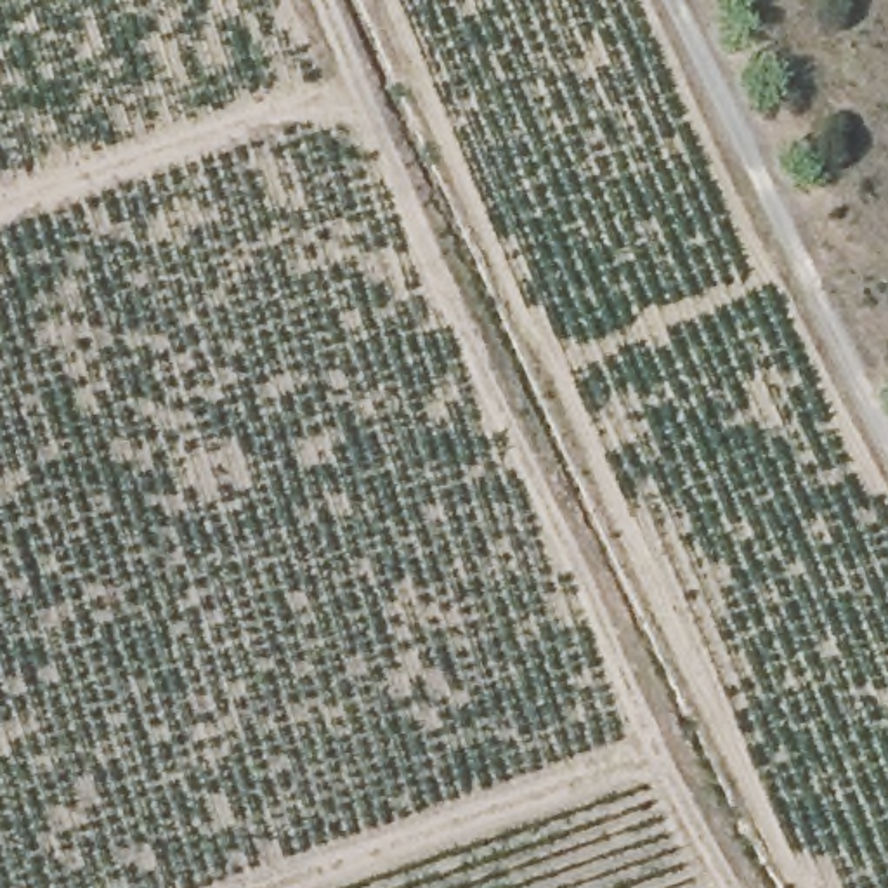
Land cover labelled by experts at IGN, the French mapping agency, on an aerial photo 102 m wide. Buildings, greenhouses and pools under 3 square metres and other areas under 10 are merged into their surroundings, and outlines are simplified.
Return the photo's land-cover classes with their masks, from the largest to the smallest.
<instances>
[{"label":"vineyard","instance_id":"1","mask_svg":"<svg viewBox=\"0 0 888 888\"><path fill-rule=\"evenodd\" d=\"M284 59L295 69H302L305 83L336 76L333 45L312 0H0V170L31 173L38 160L62 146L73 149L87 142L94 149H104L118 142H139L156 128H173L184 118L194 121L205 108L232 104L236 94L271 90L278 83L274 66ZM340 10L357 38L375 90L385 104L395 146L402 149L406 170L413 173L416 198L437 236L441 257L461 291V302L472 323L479 326V336L489 350V364L503 385L510 413L524 423L531 451L545 468V482L558 510L565 513L586 565L593 569L600 600L611 614V624L617 628L621 652L635 666V680L666 739L673 767L690 787L722 857L728 860L742 888H888V458L836 354L822 336L808 295L791 267V257L784 243L774 236L760 194L749 173L742 170L735 149L728 146L722 121L718 114L680 38V28L663 0H340ZM371 163H378V153L357 149L350 142V125H257L253 139L229 146L222 153L177 163L170 170H156L146 180H121L101 194H87L52 212L24 215L10 225H0V888H212L232 874L260 867V857L271 864L281 853L295 857L312 846H323L326 839H347L389 826L395 819H413L441 801L465 798L468 791L538 774L541 767L565 763L579 753L600 749L604 742H621L624 725L617 715V701L607 683L604 659L597 652V638L583 617L576 579L572 572L552 565L527 486L506 465V434H482V409L461 347L444 316L423 298L420 271L409 253L402 219L395 212V198L385 180L364 177ZM708 867L694 850L690 833L676 815L673 801L659 787L628 784L468 843L441 846L427 857L364 874L336 888H704Z\"/></svg>","mask_w":888,"mask_h":888},{"label":"pervious surface","instance_id":"2","mask_svg":"<svg viewBox=\"0 0 888 888\"><path fill-rule=\"evenodd\" d=\"M333 45L336 76L305 83L302 69H295L284 59L274 66L278 83L271 90L236 94L232 104L205 108L194 121L184 118L173 128H156L139 142H118L104 149H94L87 142L73 149L62 146L38 160L31 173L0 170V225H10L24 215L52 212L87 194H101L121 180H146L156 170H170L177 163L222 153L229 146L253 139L257 125H350V142L357 149L378 153V163H371L364 177L385 180L395 198V212L402 219L409 253L420 271L423 298L444 316L461 347L482 409V434H506V465L527 486L552 565L572 572L576 579L583 617L597 638V652L604 659L607 683L617 701V715L624 725L621 742H604L600 749L579 753L565 763L541 767L538 774L468 791L465 798L441 801L413 819H395L389 826L347 839H326L323 846H312L295 857L281 853L271 864L260 857V867L232 874L212 888H336L364 874L427 857L441 846L468 843L628 784L659 787L673 801L676 815L690 833L694 850L708 867L704 888H742L728 860L722 857L690 787L673 767L666 739L635 680V666L621 652L617 628L611 624V614L600 600L593 569L586 565L565 513L558 510L545 482V468L531 451L524 423L510 413L503 385L489 364V350L479 336V326L472 323L461 302V291L441 257L437 236L416 198L413 173L406 170L402 149L395 146L385 104L375 90L357 38L340 10V0H312ZM680 28V38L718 114L739 97V87L732 90L725 83L683 0H663ZM728 146L735 149L742 170L749 173L760 194L774 236L784 243L791 257V267L808 295L822 336L836 354L888 458V392L881 399L874 392L846 336V326L833 309L822 278L794 229V219L760 160L746 111L735 108L722 121Z\"/></svg>","mask_w":888,"mask_h":888},{"label":"herbaceous vegetation","instance_id":"3","mask_svg":"<svg viewBox=\"0 0 888 888\"><path fill-rule=\"evenodd\" d=\"M725 83L732 90L739 87V97L718 114L722 121L735 108L746 111L760 160L794 219V229L822 278L833 309L846 326V336L874 392L881 399L888 392V0H756V24L749 28V45L732 52L722 45V0H683ZM760 45L774 52L787 73L791 111H780L777 118H763L756 111V101L749 97L742 80ZM836 111H846L843 153L857 163L836 184H812L808 191H801L794 184V173L780 167V156L794 139L826 132Z\"/></svg>","mask_w":888,"mask_h":888},{"label":"deciduous trees","instance_id":"4","mask_svg":"<svg viewBox=\"0 0 888 888\"><path fill-rule=\"evenodd\" d=\"M756 0H722V45L732 52L749 45V28L756 24ZM742 80L749 97L756 101V111L763 118H777L780 111H791L787 73L774 52L760 45ZM846 111H836L826 132L794 139L780 156V167L794 173V184L801 191H808L812 184H836L857 163L843 153Z\"/></svg>","mask_w":888,"mask_h":888}]
</instances>
